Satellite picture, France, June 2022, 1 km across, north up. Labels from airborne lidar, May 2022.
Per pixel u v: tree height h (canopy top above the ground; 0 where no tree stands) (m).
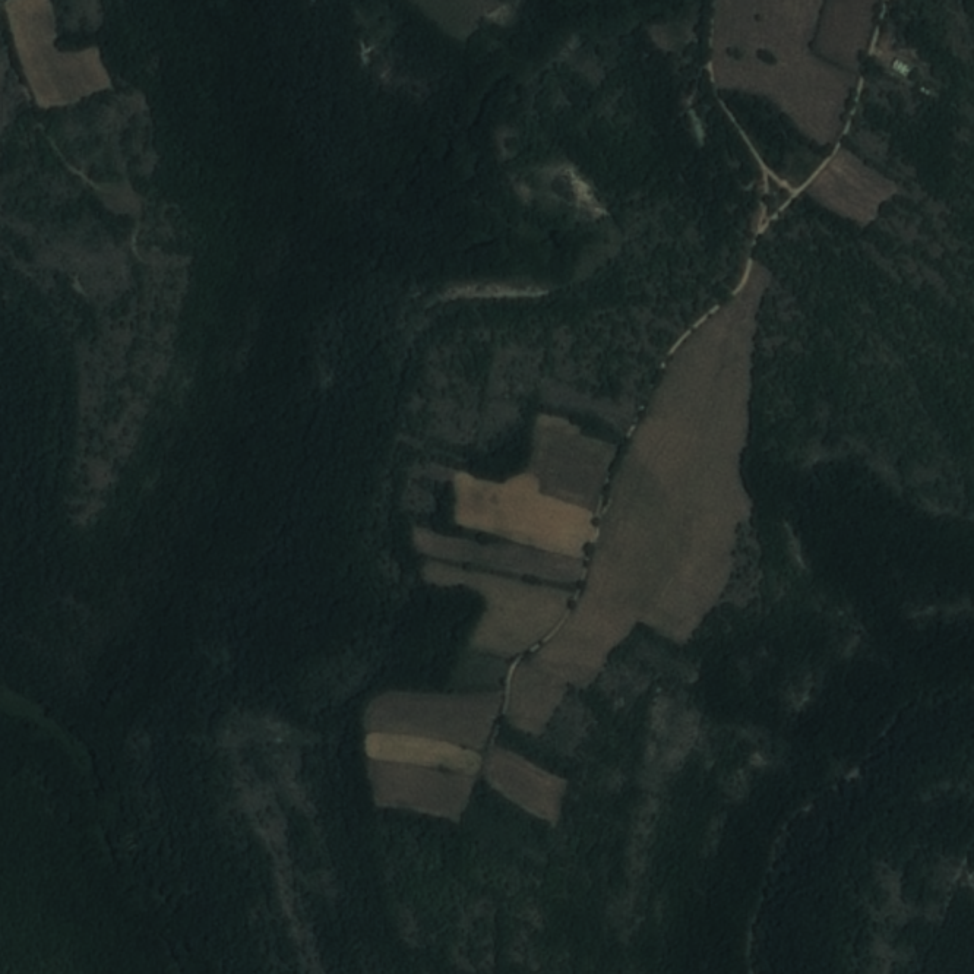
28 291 6
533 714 0
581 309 8
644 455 0
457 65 12
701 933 14
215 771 9
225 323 9
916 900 6
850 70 0
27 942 10
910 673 19
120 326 7
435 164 17
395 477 8
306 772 6
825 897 13
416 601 10
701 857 8
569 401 0
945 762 11
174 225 8
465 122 30
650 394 8
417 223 19
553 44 7
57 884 15
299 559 16
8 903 11
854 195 0
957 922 11
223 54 19
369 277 7
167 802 11
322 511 17
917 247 7
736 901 17
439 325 7
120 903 19
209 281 13
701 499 0
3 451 12
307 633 16
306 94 16
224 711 10
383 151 13
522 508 0
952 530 14
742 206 7
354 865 8
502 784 0
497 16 0
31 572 11
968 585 10
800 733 13
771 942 13
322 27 8
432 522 9
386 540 7
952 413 10
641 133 9
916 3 7
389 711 0
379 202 16
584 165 10
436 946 6
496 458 13
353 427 15
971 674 17
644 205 9
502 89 14
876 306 7
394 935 9
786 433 7
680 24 0
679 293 8
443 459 7
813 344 7
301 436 9
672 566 0
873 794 17
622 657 8
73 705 12
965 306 8
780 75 0
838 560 16
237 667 13
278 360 19
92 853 14
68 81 0
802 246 8
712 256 10
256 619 19
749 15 0
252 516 18
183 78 16
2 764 14
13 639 7
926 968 11
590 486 0
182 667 17
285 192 21
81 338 7
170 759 11
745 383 0
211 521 22
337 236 19
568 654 0
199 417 11
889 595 13
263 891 9
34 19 0
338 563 12
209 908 14
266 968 9
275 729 0
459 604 17
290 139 23
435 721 0
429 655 16
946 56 9
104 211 8
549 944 9
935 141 6
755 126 8
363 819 12
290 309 22
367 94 11
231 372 9
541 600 0
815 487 15
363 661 5
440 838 8
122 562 8
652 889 7
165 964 20
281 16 17
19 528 8
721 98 9
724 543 0
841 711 19
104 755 16
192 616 18
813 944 16
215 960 8
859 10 0
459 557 0
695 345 0
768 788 13
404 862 6
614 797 7
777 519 7
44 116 9
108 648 14
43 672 7
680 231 7
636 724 8
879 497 14
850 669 7
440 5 0
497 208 6
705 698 9
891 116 6
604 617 0
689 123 8
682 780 7
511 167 9
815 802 7
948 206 6
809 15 0
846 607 7
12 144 8
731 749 8
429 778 0
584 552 9
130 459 8
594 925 7
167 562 9
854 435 9
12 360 10
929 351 6
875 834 12
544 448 0
